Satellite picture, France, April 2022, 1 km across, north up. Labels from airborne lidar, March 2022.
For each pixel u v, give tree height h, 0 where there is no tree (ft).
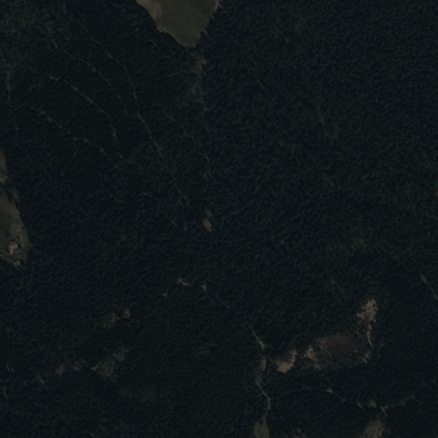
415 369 53
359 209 93
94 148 29
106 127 30
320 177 89
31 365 44
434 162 99
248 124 111
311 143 66
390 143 99
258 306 93
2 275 66
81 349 53
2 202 0
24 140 85
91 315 78
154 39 31
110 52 38
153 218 105
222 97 85
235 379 49
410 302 65
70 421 92
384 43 88
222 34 90
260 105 114
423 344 43
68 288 67
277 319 35
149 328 70
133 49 41
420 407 36
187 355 53
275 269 91
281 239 78
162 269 59
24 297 117
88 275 84
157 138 43
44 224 80
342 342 0
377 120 92
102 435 71
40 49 28
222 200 67
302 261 114
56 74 35
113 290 65
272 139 110
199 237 47
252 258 29
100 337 38
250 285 83
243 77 62
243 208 78
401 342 41
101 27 47
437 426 72
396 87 100
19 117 46
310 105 84
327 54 106
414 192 27
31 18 44
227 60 84
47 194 83
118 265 78
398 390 58
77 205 89
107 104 31
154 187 32
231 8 78
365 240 50
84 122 32
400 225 69
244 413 29
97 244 89
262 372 35
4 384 106
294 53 100
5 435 46
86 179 44
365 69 106
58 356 85
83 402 76
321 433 57
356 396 58
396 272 41
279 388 64
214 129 86
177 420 68
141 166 38
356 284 71
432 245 38
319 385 58
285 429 31
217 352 51
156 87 37
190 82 22
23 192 75
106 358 31
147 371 50
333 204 85
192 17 0
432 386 45
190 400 56
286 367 0
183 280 33
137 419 78
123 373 56
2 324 92
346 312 81
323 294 112
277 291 78
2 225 0
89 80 22
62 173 65
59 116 33
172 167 40
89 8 49
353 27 102
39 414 62
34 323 99
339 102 94
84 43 32
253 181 119
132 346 61
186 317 39
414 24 106
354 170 103
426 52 87
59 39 31
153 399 51
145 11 37
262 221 118
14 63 91
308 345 52
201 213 47
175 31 0
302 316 23
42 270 88
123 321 45
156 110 36
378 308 20
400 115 112
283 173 108
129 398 63
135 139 45
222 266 101
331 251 118
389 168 78
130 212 47
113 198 34
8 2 91
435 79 104
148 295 39
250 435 40
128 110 40
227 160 59
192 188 45
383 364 44
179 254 74
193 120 30
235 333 60
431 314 66
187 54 49
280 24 33
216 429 51
